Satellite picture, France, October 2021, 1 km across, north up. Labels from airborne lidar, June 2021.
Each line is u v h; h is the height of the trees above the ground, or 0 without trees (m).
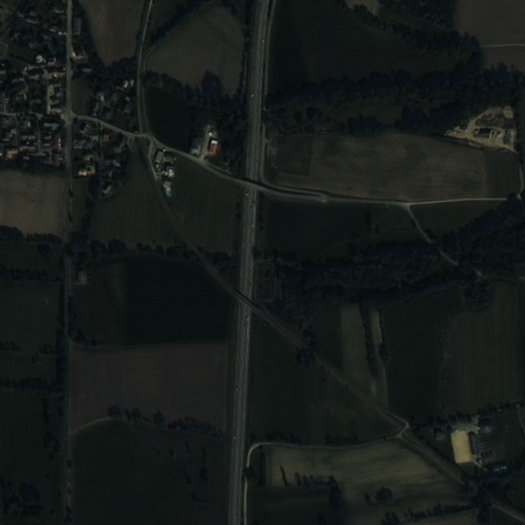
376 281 16
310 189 0
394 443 0
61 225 0
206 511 0
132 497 0
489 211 0
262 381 0
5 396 0
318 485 12
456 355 0
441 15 25
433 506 0
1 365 0
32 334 0
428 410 0
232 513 0
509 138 0
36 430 0
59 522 0
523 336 0
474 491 25
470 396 0
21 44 12
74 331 12
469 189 0
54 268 0
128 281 0
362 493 0
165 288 0
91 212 17
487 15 0
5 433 0
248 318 0
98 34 0
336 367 0
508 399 0
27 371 0
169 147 0
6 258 0
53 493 0
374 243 0
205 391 0
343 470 0
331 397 0
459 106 12
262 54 0
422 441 7
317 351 0
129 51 0
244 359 0
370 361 7
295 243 0
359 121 0
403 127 10
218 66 0
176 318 0
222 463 0
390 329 0
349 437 0
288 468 0
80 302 0
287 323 11
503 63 0
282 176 0
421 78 0
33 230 0
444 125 23
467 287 18
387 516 0
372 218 10
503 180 0
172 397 0
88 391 0
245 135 15
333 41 0
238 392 0
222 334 0
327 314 0
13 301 0
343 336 0
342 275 18
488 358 0
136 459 0
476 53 17
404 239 0
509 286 0
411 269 18
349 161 0
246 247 0
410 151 0
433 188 0
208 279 0
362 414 0
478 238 19
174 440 0
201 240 0
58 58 6
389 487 0
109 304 0
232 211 0
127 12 0
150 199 0
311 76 0
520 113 11
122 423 0
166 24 0
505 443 0
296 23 0
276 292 0
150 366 0
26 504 18
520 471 19
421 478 0
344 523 0
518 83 23
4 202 0
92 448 0
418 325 0
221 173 0
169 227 0
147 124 0
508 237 22
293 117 0
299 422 0
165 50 0
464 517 0
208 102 19
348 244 0
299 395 0
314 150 0
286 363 0
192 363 0
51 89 0
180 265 0
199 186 0
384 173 0
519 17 0
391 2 23
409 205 0
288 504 0
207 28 0
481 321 0
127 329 0
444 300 0
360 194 0
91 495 0
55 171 8
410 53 0
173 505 0
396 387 0
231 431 0
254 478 15
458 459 0
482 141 0
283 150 0
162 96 0
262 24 0
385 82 0
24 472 0
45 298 0
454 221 0
